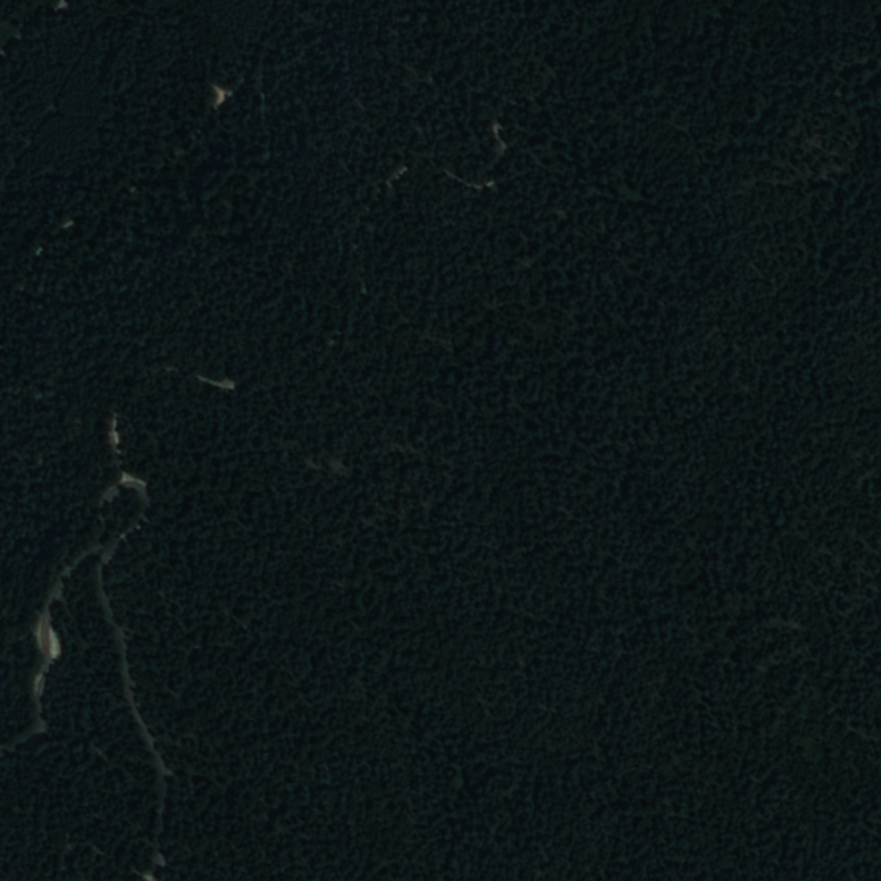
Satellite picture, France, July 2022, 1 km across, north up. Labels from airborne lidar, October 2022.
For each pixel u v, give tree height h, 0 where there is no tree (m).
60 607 20
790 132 20
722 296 17
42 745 21
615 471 12
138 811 29
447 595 13
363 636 7
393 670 13
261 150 13
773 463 21
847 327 14
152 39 37
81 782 15
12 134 32
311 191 17
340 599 19
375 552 7
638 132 12
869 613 15
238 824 19
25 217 26
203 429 13
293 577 25
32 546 22
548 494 23
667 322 33
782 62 18
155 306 12
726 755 20
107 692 6
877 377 18
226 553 23
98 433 12
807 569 10
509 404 34
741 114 27
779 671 16
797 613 18
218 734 22
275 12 24
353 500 10
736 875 26
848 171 25
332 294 23
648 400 9
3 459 30
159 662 19
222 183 30
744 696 23
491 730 16
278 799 14
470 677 9
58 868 18
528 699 16
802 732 19
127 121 33
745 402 29
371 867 12
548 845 29
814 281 16
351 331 17
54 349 16
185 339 17
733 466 18
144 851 24
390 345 17
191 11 12
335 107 13
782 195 20
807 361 7
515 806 22
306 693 19
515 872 23
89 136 21
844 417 15
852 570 25
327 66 16
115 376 18
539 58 17
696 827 18
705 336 25
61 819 23
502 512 23
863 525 15
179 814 27
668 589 21
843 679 15
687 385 16
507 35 22
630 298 26
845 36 11
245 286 33
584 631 25
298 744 8
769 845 26
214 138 9
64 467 9
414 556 29
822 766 14
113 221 16
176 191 29
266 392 21
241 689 15
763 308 23
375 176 30
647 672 18
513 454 19
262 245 18
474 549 26
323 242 13
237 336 19
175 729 26
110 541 17
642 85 22
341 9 21
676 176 31
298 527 15
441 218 6
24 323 22
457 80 22
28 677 13
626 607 8
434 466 17
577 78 20
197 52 20
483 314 7
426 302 8
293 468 10
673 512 18
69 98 23
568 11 16
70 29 31
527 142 31
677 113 28
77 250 22
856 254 10
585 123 34
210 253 8
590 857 16
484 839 24
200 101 14
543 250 34
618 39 31
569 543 23
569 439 26
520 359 28
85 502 18
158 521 21
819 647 11
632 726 21
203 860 9
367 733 20
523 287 25
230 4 23
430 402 10
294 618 18
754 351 27
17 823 15
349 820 22
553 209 23
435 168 24
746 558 33
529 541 18
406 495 14
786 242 17
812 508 29
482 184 24
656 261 19
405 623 22
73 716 11
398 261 11
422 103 28
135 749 26
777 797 21
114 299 19
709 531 14
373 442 22
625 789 22
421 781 15
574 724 14
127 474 13
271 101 14
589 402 23
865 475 28
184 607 15
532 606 21
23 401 9
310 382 15
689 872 31
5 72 26
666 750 16
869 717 18
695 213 25
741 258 20
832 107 17
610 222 25
